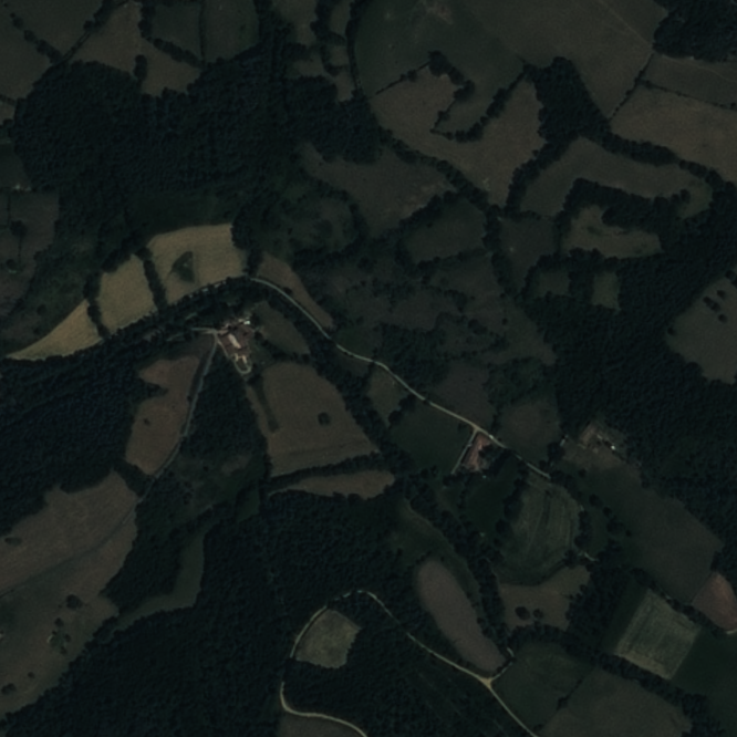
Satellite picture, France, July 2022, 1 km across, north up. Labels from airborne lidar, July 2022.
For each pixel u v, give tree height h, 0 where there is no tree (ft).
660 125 0
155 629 49
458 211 0
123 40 0
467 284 0
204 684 75
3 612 0
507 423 0
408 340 31
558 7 0
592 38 0
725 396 42
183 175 94
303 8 0
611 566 70
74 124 72
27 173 23
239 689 60
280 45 66
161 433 0
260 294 62
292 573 33
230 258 0
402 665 63
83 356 55
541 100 44
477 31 0
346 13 0
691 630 0
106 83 52
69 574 0
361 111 60
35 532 0
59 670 0
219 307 100
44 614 0
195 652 72
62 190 25
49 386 54
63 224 44
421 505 64
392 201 0
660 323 62
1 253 0
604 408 47
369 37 0
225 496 0
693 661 0
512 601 0
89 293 63
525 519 0
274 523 93
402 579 84
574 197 58
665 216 65
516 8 0
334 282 0
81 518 0
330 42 73
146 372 0
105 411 74
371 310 0
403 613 90
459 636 0
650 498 0
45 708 67
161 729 35
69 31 0
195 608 28
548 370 45
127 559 23
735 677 0
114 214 81
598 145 0
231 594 81
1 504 71
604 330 39
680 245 52
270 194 35
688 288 62
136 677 34
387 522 31
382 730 30
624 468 0
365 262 49
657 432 54
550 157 56
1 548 0
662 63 0
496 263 41
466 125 0
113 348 77
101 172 54
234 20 0
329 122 49
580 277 64
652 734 0
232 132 63
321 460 0
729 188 63
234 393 56
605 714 0
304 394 0
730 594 0
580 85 44
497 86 0
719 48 61
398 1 0
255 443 51
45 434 41
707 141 0
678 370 52
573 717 0
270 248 0
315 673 49
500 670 24
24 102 49
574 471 0
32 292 37
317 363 25
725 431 51
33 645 0
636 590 0
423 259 0
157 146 96
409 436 0
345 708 34
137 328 43
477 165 0
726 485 33
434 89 0
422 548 0
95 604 0
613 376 66
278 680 43
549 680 0
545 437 0
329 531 32
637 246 0
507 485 0
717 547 0
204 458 32
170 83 0
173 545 37
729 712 0
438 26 0
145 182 101
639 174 0
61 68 44
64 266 37
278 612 35
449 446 0
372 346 0
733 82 0
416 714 27
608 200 65
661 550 0
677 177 0
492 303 0
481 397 0
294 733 0
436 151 0
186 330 83
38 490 42
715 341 0
